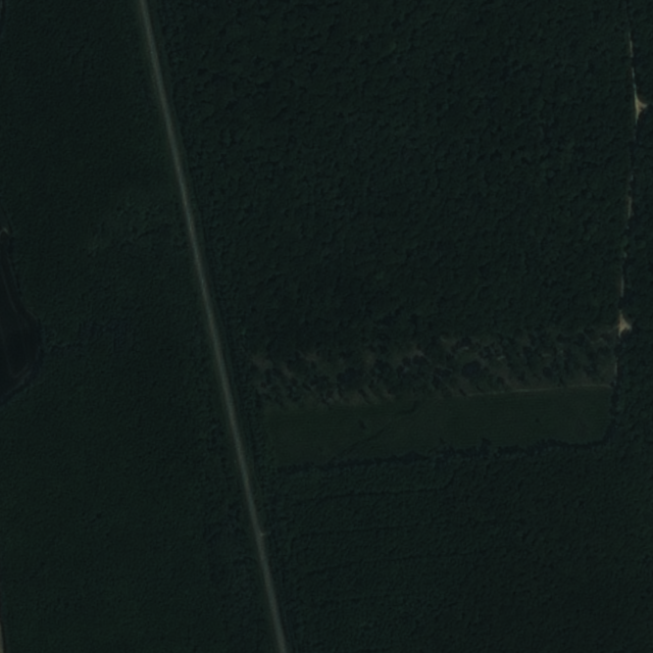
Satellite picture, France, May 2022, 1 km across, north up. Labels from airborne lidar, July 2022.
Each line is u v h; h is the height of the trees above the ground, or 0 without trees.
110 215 19
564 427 0
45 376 18
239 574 21
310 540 22
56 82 19
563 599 24
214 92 27
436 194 28
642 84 26
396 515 20
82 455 16
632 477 21
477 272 25
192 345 22
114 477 14
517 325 27
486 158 26
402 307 26
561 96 30
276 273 23
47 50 20
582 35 27
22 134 20
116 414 16
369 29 26
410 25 25
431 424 0
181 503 14
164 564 16
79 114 19
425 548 18
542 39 22
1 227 0
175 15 26
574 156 25
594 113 23
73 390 17
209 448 14
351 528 18
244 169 27
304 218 31
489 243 23
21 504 14
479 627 24
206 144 22
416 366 25
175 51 16
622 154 23
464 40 29
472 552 18
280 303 31
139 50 17
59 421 15
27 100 23
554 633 21
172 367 17
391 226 29
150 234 18
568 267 27
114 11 19
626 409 23
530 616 25
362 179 27
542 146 29
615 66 24
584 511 22
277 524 23
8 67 20
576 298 30
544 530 27
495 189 27
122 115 19
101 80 17
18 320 0
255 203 25
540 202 26
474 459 25
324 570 17
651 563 25
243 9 30
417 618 20
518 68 23
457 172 26
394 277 24
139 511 15
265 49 28
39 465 15
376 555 21
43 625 16
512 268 24
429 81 23
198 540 17
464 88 31
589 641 25
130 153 16
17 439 15
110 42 21
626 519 22
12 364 0
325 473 23
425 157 29
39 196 20
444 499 20
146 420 17
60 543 16
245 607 20
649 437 25
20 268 17
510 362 24
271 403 24
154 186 21
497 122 25
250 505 0
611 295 24
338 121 25
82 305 20
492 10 28
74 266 19
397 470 20
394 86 28
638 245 28
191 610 15
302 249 26
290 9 22
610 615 25
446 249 28
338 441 0
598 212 22
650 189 26
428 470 20
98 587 16
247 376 28
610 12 27
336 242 23
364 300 27
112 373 18
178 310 20
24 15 20
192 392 18
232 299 20
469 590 23
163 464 17
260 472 16
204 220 10
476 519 15
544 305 23
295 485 28
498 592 22
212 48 23
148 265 21
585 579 23
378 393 29
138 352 17
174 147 0
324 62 24
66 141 20
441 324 26
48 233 20
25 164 22
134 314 24
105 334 18
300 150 27
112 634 13
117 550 17
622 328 0
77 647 14
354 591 19
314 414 0
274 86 28
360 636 19
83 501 14
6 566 15
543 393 0
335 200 23
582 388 0
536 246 25
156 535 15
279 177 28
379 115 28
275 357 33
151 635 15
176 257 21
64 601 17
